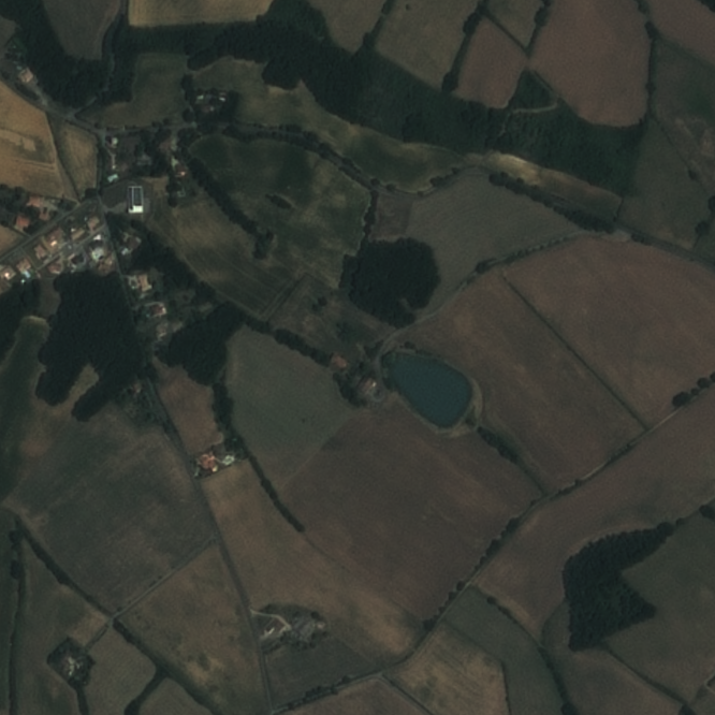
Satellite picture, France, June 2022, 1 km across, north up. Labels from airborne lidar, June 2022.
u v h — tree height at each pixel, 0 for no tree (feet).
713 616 0
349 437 0
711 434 0
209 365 35
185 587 0
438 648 0
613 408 0
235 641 0
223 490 0
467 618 0
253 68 0
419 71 0
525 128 25
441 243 0
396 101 24
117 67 26
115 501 0
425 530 0
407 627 0
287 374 0
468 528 0
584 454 0
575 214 43
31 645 0
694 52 0
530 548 0
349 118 44
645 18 0
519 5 0
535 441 0
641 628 0
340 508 0
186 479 0
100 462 0
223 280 0
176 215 0
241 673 0
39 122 0
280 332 50
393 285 52
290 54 63
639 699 0
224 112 29
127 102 36
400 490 0
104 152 42
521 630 0
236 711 0
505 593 0
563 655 0
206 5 0
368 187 29
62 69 58
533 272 0
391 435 0
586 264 0
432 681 0
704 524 0
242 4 0
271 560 0
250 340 0
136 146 23
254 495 0
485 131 22
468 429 0
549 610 0
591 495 0
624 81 0
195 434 0
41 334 0
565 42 0
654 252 0
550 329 0
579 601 41
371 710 0
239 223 52
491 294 0
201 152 0
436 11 0
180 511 0
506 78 0
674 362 0
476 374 0
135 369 52
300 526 32
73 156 0
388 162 0
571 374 0
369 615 0
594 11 0
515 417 0
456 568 0
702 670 0
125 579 0
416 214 0
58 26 0
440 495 0
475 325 0
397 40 0
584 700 0
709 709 0
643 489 0
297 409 0
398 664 0
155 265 36
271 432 0
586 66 0
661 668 0
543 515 0
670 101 0
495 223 0
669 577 0
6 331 66
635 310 0
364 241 39
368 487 0
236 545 0
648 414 0
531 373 0
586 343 0
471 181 0
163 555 0
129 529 0
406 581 0
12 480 0
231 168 0
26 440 0
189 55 42
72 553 0
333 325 0
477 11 26
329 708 0
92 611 0
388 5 19
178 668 0
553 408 0
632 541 52
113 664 0
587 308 0
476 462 0
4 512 0
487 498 0
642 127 42
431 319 0
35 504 0
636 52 0
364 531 0
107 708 0
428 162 0
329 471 0
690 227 0
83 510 0
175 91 0
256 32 55
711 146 0
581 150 36
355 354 0
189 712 0
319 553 0
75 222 0
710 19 0
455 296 0
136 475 0
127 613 0
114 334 56
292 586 0
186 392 0
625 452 19
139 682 0
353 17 0
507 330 0
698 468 0
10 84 0
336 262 0
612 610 28
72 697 0
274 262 0
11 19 33
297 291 0
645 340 0
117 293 50
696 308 0
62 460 0
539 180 0
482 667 0
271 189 0
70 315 64
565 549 0
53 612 0
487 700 0
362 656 0
